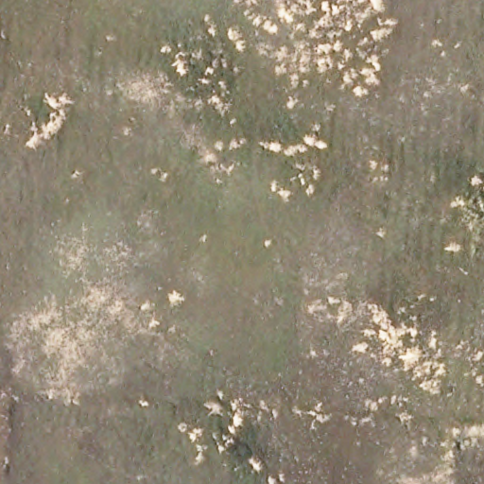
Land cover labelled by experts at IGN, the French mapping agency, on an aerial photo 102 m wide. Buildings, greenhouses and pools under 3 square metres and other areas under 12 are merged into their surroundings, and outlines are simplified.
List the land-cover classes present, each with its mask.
<instances>
[{"label":"herbaceous vegetation","instance_id":"1","mask_svg":"<svg viewBox=\"0 0 484 484\"><path fill-rule=\"evenodd\" d=\"M276 0H0V484H374L376 465L380 459L386 458V450L391 448L393 439L410 437L406 423L399 420V414H410V422L414 425L433 427L441 423L446 429L444 433H452L454 427L484 425V0H382V9L374 13L376 19H393L395 26L391 34L380 40H374L372 34L367 36V45H363V51L371 57H378V83H372L367 95L357 96L348 85L340 89L344 76L338 68L320 72L318 64L308 62V72H302L295 87L291 85V79L287 76L274 72L276 59L257 53L259 42L253 30L255 25L244 17V9L251 11L253 15H268L276 9ZM119 68H127L136 79H140L142 74L159 76L163 72L170 85L178 89L183 96L200 100L206 96H217L221 102L229 104V110L225 113L217 112L212 102L202 110H183L181 119L185 125H199L202 136L206 138V146L246 138L242 147L221 149V163L233 164V172H210L197 147H183L181 140L185 138L168 125V113L151 110L146 102L130 100L129 96H123L117 87ZM45 96H68L66 117L57 132L42 140L38 146L28 147V140L32 136L30 127L36 125L38 132H42L43 125L49 123V115H59V108H51L45 102ZM306 136L325 142L323 149L310 147L295 155H280L278 151H270L267 147L261 146L263 140L280 146H295L301 144ZM299 163L316 164L320 170L318 185L314 187L312 195H306V191L302 189L299 170L295 168V164ZM93 210L121 212V219H125V227L119 234L130 250H142L147 240H157L161 244L155 255L140 261V267L125 272V284H136L138 289L144 291L147 302L155 308L157 314L155 329L163 333L164 342H168L170 346L166 350L164 361H159L157 338L151 335L130 338L129 344L123 348L127 367L125 380L104 393H100L98 389H93V393H83L79 397L78 405H64L62 397L49 399L47 395L34 393L32 382L21 378L19 374H13L15 361L13 354L4 346V338L11 333V314L21 312V302L25 297H30L34 291L43 289V280L38 276V270L45 268V255L49 248L57 246L60 234H64L68 229V223L72 221L76 212L87 214ZM338 272H346V284L337 285L333 289L312 287L308 295L302 293L304 276L318 280H333ZM329 297L344 299L352 304L346 320L340 323H321L308 312V306L312 302L321 301L329 310V314H338L337 304H331ZM371 302L386 310L393 327L406 325L414 329L437 331V340L442 342V355L448 357V361L444 363L439 393H429L422 389V382H429L435 378V369H429L427 374L414 378V371H405L401 357H393L382 352L384 344L380 338L365 335V329L380 331V325L372 320L369 308ZM234 399L250 403V410L242 416L238 431L231 433L229 425L233 423L234 418L231 406ZM316 403H321V414H325L329 420L321 422L316 429H310L312 416H297L293 414V408L312 410ZM454 484H484V450L476 444L473 448L463 450L461 442L456 441L452 473Z\"/></svg>","mask_w":484,"mask_h":484},{"label":"bare soil","instance_id":"2","mask_svg":"<svg viewBox=\"0 0 484 484\"><path fill-rule=\"evenodd\" d=\"M276 9L268 15H253L251 11L244 9V17L255 25L253 30L259 42L257 53L276 59L274 72L287 76L291 79V85L295 87L302 72H308V62L318 64L320 72L338 68L344 76L340 89L348 85L357 96L367 95L372 83H378V57H371L363 51V45H367V36L372 34L374 40H380L391 34L395 26L393 19H376L374 13L382 9V0H276ZM117 87L123 96H129L130 100L146 102L151 110L168 113V125L185 138L181 140L183 147H197L210 172H233V164L221 163V149L242 147L246 138L206 146V138L202 136L199 125H185L181 119L183 110H202L212 102L217 112L225 113L229 110V104L221 102L217 96H206L200 100L183 96L178 89L170 85L163 72L159 76L142 74L140 79H136L127 68H119ZM45 102L51 108H59V115H49V123L43 125L42 132H38L36 125L30 127L32 136L28 140V147L38 146L42 140L57 132L66 117L68 96H45ZM261 146L267 147L270 151H278L280 155H295L310 147L323 149L325 142L306 136L301 144L295 146H280L263 140ZM295 168L299 170L302 189L306 191V195H312L314 187L318 185L320 170L316 164L299 163L295 164ZM125 227V219H121V212L93 210L87 214L76 212L72 221L68 223V229L64 234H60L57 246L49 248L45 255V268L38 270V276L43 280V289L34 291L30 297H25L21 302V312L11 314V333L4 338V346L13 354L15 361L13 374H19L21 378L32 382L34 393L47 395L49 399L62 397L64 405H78L79 397L83 393H93V389H98L100 393H104L125 380L127 367L123 348L129 344L130 338L151 335L157 338L159 361H164L166 350L170 346L168 342H164L163 333L155 329L157 314L155 308L147 302L144 291L138 289L136 284H125V272L140 267V261L155 255L161 244L157 240H147L142 250H130L119 234ZM346 272H338L333 280H318L304 276L302 293L308 295L312 287L333 289L337 285L346 284ZM331 304H337L338 314H329V310L321 301L312 302L308 306V312L321 323H340L346 320L352 304L344 299L329 297ZM369 308L372 320L380 325V331L365 329V335L380 338L384 344L382 352L393 357H401L405 371H414V378L427 374L429 369H435V378L429 382H422V389L429 393H439L444 363L448 361V357L442 355V342L437 340V331L414 329L406 325L393 327L386 310L371 302ZM231 406L234 418L233 423L229 425L231 433L238 431L242 416L250 410V403L234 399ZM293 414L297 416H312L310 429H316L321 422L329 420L325 414H321V403H316L312 410L293 408ZM399 420L406 423L410 437L393 439L391 448L386 450V458L380 459L376 465L374 484H454L452 473L456 441L461 442L463 450L473 448L476 444L484 450V425L454 427L452 433H444L446 429L441 423L433 427L414 425L410 422V414H399Z\"/></svg>","mask_w":484,"mask_h":484}]
</instances>
